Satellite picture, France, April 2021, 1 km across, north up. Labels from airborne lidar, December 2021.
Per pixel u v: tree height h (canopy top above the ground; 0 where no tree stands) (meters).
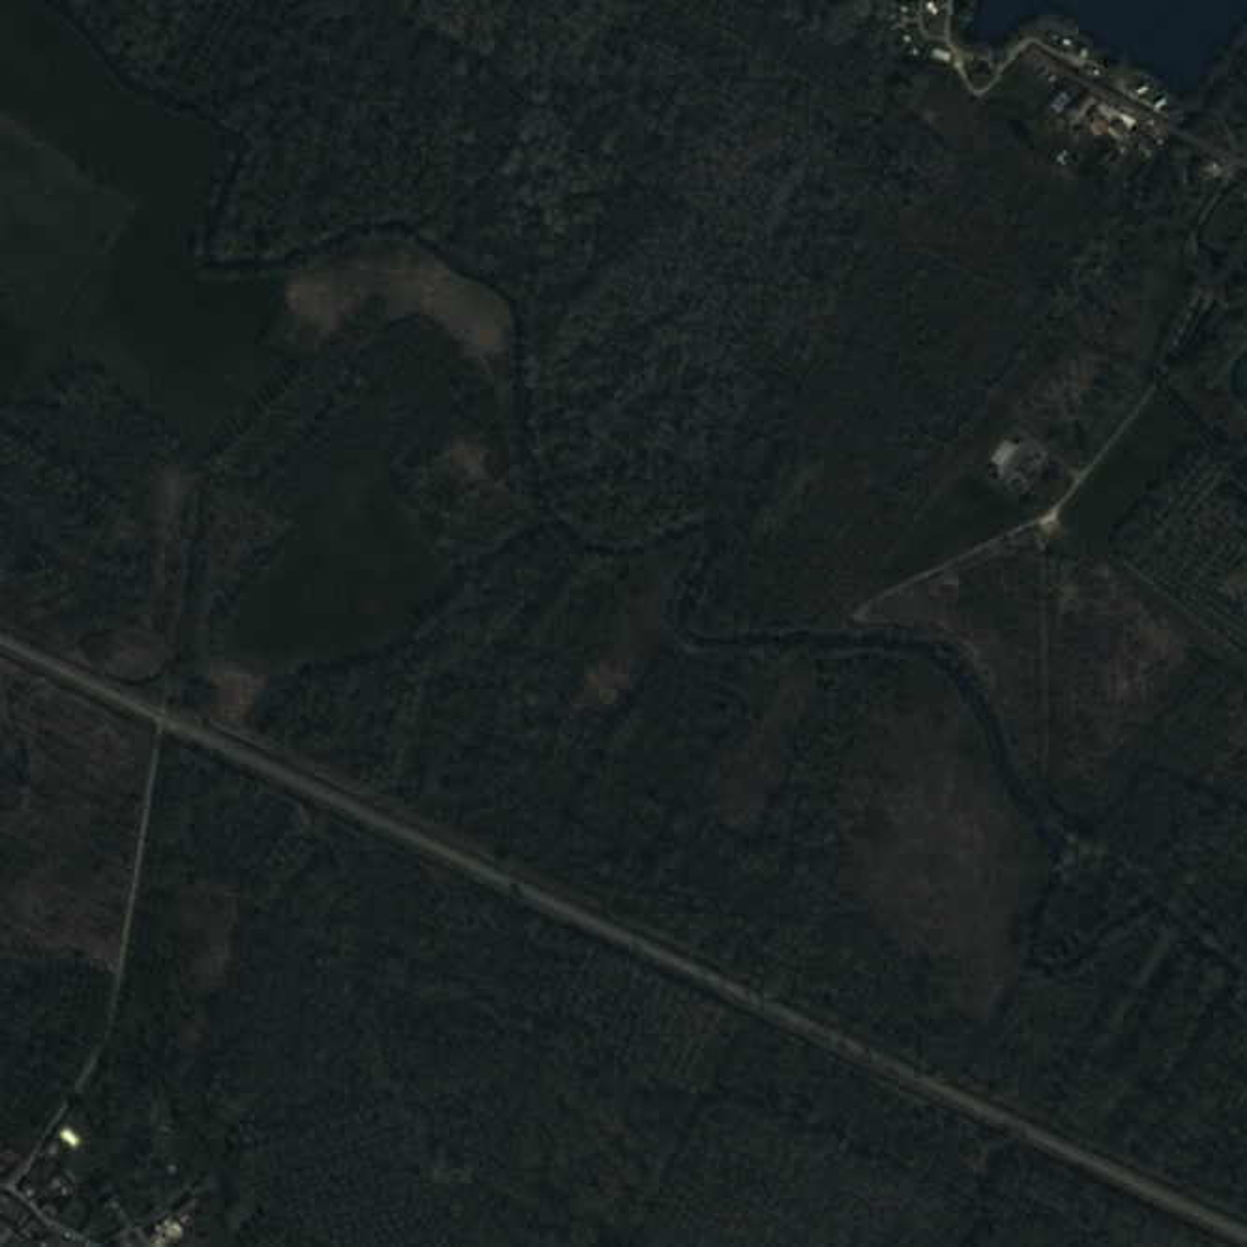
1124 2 0
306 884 30
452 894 21
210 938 0
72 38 0
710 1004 33
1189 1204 0
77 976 22
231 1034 6
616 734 26
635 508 25
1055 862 21
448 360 14
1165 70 0
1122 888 17
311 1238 17
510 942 16
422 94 21
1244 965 19
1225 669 7
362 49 12
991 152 10
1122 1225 29
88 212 0
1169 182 15
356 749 14
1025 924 10
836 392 14
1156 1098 35
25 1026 18
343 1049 16
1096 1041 17
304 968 18
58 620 7
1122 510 0
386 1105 26
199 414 0
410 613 0
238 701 0
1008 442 0
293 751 7
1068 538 0
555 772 12
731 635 15
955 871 0
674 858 30
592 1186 36
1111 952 19
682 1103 24
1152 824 15
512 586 19
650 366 30
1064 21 27
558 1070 36
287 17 15
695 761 17
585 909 0
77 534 22
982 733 0
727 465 20
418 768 10
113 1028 18
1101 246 10
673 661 17
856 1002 16
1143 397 0
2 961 7
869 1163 20
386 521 0
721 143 26
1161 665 6
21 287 0
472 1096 16
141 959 19
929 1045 16
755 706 6
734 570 14
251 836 19
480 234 19
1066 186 14
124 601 5
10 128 0
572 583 34
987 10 0
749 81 17
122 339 0
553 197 29
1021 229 10
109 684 0
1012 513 0
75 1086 18
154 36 15
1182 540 21
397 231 19
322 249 7
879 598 0
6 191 0
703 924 25
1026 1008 18
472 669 15
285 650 0
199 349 0
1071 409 8
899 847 0
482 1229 35
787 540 12
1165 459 0
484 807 19
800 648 18
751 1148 26
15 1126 6
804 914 16
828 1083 16
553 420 6
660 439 29
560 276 20
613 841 14
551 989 22
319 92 18
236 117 15
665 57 16
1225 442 20
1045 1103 16
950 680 0
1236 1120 7
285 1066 19
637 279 31
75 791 7
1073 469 0
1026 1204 32
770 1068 7
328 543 0
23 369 0
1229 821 29
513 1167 37
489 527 8
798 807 8
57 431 13
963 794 0
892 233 7
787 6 27
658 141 6
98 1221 9
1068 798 7
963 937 0
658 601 0
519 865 16
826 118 6
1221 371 0
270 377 0
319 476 10
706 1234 22
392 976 31
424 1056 32
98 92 0
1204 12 0
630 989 29
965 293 7
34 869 8
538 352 14
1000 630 5
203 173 0
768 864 19
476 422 13
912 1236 15
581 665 11
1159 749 6
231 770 27
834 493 7
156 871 20
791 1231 19
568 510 22
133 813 12
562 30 22
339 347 13
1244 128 20
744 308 30
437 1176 24
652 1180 35
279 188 26
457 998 8
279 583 0
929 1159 17
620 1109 35
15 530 14
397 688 20
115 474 10
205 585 9
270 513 12
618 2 22
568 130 27
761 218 28
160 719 0
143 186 0
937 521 0
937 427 6
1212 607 23
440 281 0
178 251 0
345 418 10
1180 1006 35
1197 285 11
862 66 22
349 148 28
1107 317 20
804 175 25
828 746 8
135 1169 16
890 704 11
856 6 29
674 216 20
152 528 12
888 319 9
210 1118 18
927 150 19
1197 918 20
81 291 0
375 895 12
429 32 7
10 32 0
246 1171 26
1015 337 9
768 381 22
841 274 8
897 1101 7
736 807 0
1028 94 0
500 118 24
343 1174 23
